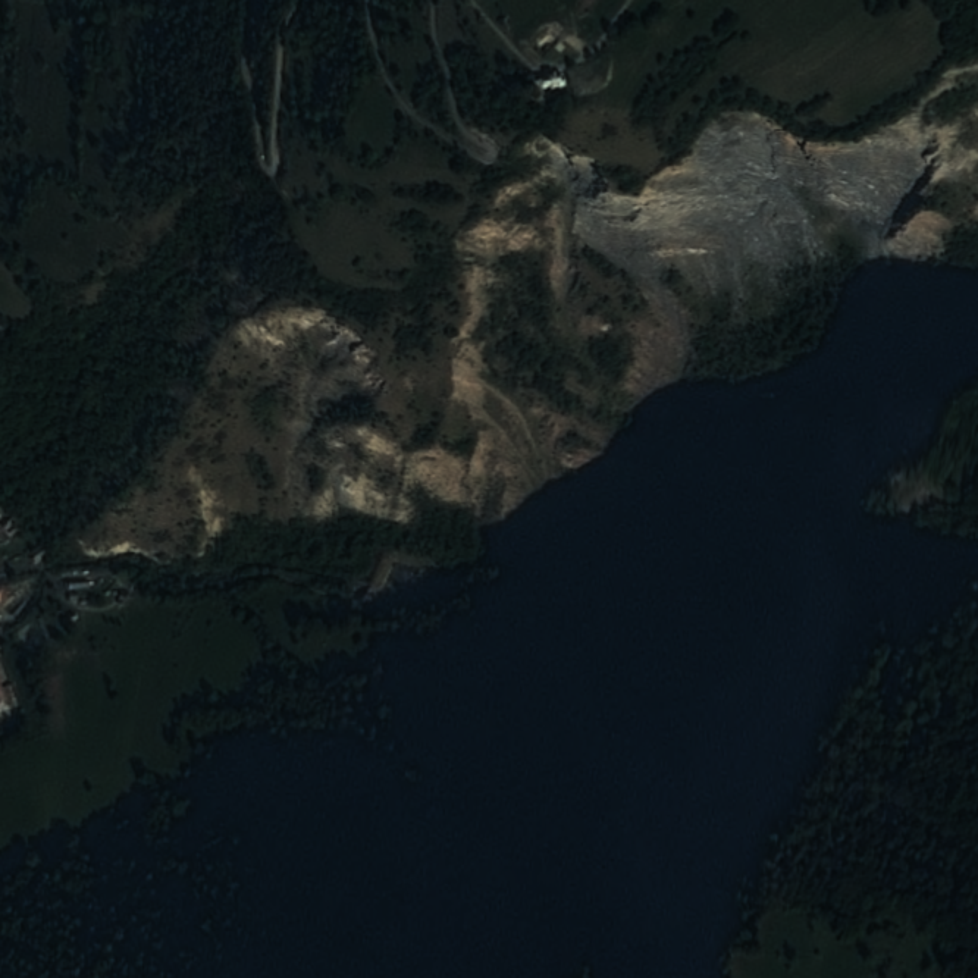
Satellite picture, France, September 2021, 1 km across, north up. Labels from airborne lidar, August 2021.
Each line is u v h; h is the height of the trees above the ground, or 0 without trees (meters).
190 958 27
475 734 21
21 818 0
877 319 20
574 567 26
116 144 0
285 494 7
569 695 17
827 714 18
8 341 12
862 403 8
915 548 22
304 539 15
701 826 0
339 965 28
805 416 9
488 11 0
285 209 6
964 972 26
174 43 22
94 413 19
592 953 14
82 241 0
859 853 15
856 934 23
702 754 0
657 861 0
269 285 11
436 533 17
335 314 8
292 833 12
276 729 21
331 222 0
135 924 28
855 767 20
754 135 0
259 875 25
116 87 15
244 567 10
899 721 17
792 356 10
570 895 13
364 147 0
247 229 19
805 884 18
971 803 28
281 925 23
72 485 8
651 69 0
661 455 22
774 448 12
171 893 25
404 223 13
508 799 25
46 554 7
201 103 21
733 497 19
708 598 18
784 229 0
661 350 0
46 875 6
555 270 0
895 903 25
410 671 26
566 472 7
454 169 15
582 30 0
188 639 0
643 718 12
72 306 7
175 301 15
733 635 10
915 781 23
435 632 21
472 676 9
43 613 9
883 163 0
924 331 21
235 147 16
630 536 10
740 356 15
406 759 18
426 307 8
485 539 14
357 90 7
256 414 7
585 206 0
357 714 12
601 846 25
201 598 12
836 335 15
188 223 21
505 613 11
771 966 0
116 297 13
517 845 14
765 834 26
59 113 0
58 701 0
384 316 7
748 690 0
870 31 0
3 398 16
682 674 21
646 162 0
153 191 17
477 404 0
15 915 21
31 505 24
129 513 6
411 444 6
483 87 16
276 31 12
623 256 0
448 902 18
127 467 6
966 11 24
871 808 19
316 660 0
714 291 0
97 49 20
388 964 15
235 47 17
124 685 0
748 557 18
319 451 6
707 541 22
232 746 12
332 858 23
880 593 11
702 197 0
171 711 0
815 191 0
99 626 0
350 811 23
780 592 22
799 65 0
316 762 15
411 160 0
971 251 16
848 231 0
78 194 14
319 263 0
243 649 0
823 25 0
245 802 22
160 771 0
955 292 19
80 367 23
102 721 0
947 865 23
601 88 0
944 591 28
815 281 7
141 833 26
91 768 0
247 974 24
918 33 0
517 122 11
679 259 0
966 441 20
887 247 0
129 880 20
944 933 32
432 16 0
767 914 17
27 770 0
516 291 7
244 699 8
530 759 18
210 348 7
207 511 0
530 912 14
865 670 14
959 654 39
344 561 9
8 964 25
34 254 0
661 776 0
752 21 0
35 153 0
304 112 14
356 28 14
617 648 23
